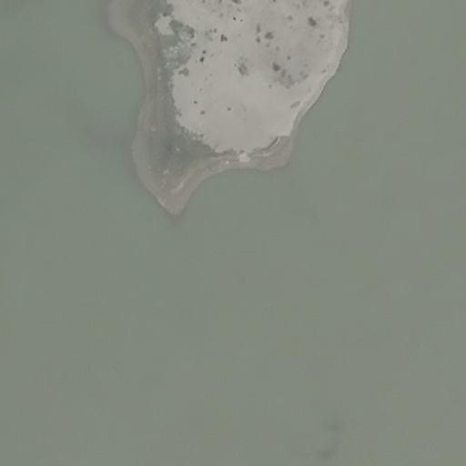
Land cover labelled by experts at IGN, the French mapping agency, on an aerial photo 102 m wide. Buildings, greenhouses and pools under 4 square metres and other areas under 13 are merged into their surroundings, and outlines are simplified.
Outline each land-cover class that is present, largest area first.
<instances>
[{"label":"water","instance_id":"1","mask_svg":"<svg viewBox=\"0 0 466 466\"><path fill-rule=\"evenodd\" d=\"M113 0H0V466H466V0H346L349 4L348 46L340 58L335 75L329 78L324 89L320 91L319 98L302 115L295 127V142L288 162L273 169L240 167L217 173L200 182L197 189L191 193L184 209L177 215H171L140 182L137 164L133 160V140L137 137L138 111L146 104V78L135 46L124 36L118 35L109 24L107 7Z\"/></svg>","mask_w":466,"mask_h":466},{"label":"bare soil","instance_id":"2","mask_svg":"<svg viewBox=\"0 0 466 466\"><path fill-rule=\"evenodd\" d=\"M160 0H113L107 7L109 24L118 35L124 36L135 46L146 78V104L138 111L137 137L133 140V160L137 164L140 182L171 215H177L184 209L191 193L197 189L200 182L217 173L240 167L273 169L288 162L295 142V127L302 115L319 98L320 91L324 89L329 78L335 75L340 58L348 46L349 4L346 0H177L171 13L178 22L191 25L195 29L193 38L197 42L193 55L187 60L189 75L184 76L171 75L167 71L160 36L171 35V22L167 16H160Z\"/></svg>","mask_w":466,"mask_h":466},{"label":"herbaceous vegetation","instance_id":"3","mask_svg":"<svg viewBox=\"0 0 466 466\"><path fill-rule=\"evenodd\" d=\"M177 0H160V16H167L171 22V35L160 36L167 71L171 75L184 76L189 75L187 60L193 55L197 42L193 38L195 29L191 25L178 22L171 13Z\"/></svg>","mask_w":466,"mask_h":466}]
</instances>
